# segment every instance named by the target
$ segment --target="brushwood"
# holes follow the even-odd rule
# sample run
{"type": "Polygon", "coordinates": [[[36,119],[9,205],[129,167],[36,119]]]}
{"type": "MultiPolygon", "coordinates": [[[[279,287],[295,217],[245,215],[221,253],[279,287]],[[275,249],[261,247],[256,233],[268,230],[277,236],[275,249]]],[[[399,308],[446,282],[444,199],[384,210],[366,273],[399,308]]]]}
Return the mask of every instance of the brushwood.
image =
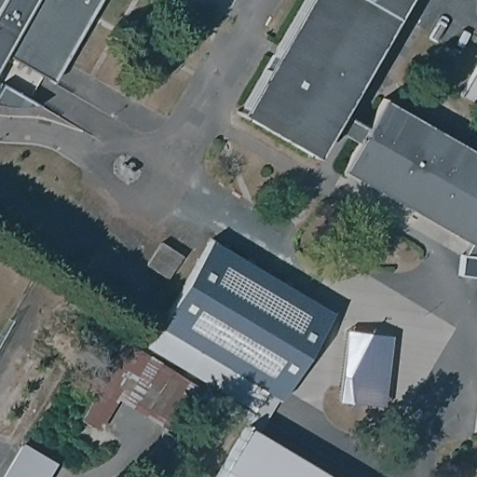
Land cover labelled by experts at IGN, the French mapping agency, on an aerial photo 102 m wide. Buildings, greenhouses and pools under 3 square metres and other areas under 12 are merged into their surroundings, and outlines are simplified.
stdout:
{"type": "Polygon", "coordinates": [[[274,30],[276,35],[272,35],[270,39],[278,45],[285,32],[289,30],[304,0],[294,0],[285,19],[281,20],[278,30],[274,30]]]}
{"type": "Polygon", "coordinates": [[[246,104],[255,84],[265,71],[268,60],[263,56],[257,67],[253,67],[252,76],[238,97],[238,106],[246,104]]]}

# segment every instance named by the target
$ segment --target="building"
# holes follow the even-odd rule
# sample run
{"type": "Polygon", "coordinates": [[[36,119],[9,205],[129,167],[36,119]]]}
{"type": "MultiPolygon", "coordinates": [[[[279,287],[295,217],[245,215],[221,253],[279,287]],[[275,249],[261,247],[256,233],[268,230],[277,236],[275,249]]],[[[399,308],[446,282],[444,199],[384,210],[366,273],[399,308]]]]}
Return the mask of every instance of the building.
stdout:
{"type": "Polygon", "coordinates": [[[302,386],[296,373],[289,373],[291,365],[296,365],[302,373],[311,365],[311,356],[317,352],[317,345],[309,341],[309,335],[317,335],[319,341],[334,341],[334,335],[330,334],[330,330],[334,326],[335,311],[296,291],[285,281],[274,278],[263,268],[253,265],[252,261],[240,257],[214,240],[209,240],[205,244],[198,259],[190,253],[183,255],[173,250],[166,242],[158,244],[153,253],[145,259],[147,266],[153,268],[160,276],[171,278],[173,274],[181,274],[181,278],[184,279],[183,293],[175,307],[175,317],[166,332],[179,337],[190,347],[198,348],[199,352],[211,356],[212,360],[220,361],[225,367],[233,369],[240,378],[225,376],[220,386],[216,395],[227,397],[233,404],[237,404],[240,410],[246,410],[246,419],[255,423],[263,416],[272,416],[276,412],[276,406],[270,404],[272,399],[283,399],[287,391],[294,393],[302,386]]]}
{"type": "Polygon", "coordinates": [[[395,337],[352,332],[348,335],[347,373],[341,401],[345,404],[356,402],[365,410],[382,410],[388,404],[395,337]]]}
{"type": "Polygon", "coordinates": [[[106,0],[0,0],[0,112],[4,112],[4,108],[22,108],[22,101],[13,95],[15,88],[9,86],[9,80],[13,76],[20,76],[22,80],[39,86],[41,76],[56,76],[61,80],[65,71],[106,0]]]}
{"type": "Polygon", "coordinates": [[[307,462],[306,458],[298,457],[293,451],[270,440],[265,434],[255,429],[244,429],[216,477],[332,477],[315,464],[307,462]]]}
{"type": "Polygon", "coordinates": [[[58,464],[52,458],[32,449],[30,445],[20,447],[17,453],[7,466],[4,477],[52,477],[58,464]]]}
{"type": "Polygon", "coordinates": [[[470,101],[477,101],[477,65],[468,76],[464,91],[470,101]]]}
{"type": "Polygon", "coordinates": [[[188,380],[175,375],[162,363],[145,356],[142,352],[134,352],[134,358],[125,361],[123,369],[116,373],[108,367],[89,367],[84,373],[89,378],[88,391],[95,393],[95,406],[89,406],[84,414],[86,427],[101,430],[102,425],[106,425],[108,421],[112,406],[116,406],[117,402],[129,408],[136,406],[142,414],[164,419],[170,425],[175,402],[184,399],[188,393],[188,380]]]}
{"type": "Polygon", "coordinates": [[[373,186],[382,196],[399,201],[404,212],[408,214],[408,233],[419,238],[421,242],[425,238],[436,240],[458,253],[458,276],[468,281],[477,281],[477,149],[470,147],[468,143],[460,142],[447,132],[442,132],[423,117],[416,116],[399,104],[389,101],[382,99],[378,104],[371,127],[358,121],[354,112],[360,106],[365,91],[375,80],[378,69],[388,58],[389,50],[395,45],[404,28],[404,22],[412,15],[419,0],[304,0],[289,30],[285,32],[278,45],[276,52],[268,60],[265,71],[255,84],[246,104],[244,116],[265,123],[270,129],[315,153],[324,145],[343,142],[345,136],[352,136],[356,140],[354,142],[356,149],[352,151],[345,173],[341,175],[337,177],[339,186],[348,184],[354,192],[360,190],[360,184],[373,186]]]}

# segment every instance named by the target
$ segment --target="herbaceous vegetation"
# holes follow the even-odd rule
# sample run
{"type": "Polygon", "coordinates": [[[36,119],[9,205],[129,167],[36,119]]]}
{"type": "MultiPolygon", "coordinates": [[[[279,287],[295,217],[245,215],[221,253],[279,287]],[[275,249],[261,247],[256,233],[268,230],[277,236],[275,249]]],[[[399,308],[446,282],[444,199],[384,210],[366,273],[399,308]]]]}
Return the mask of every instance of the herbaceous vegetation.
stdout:
{"type": "Polygon", "coordinates": [[[237,194],[240,188],[237,181],[229,183],[229,175],[225,175],[220,160],[216,162],[205,157],[205,170],[209,181],[218,184],[229,194],[237,194]]]}
{"type": "Polygon", "coordinates": [[[160,436],[157,442],[140,453],[136,460],[130,460],[129,464],[119,471],[117,477],[125,477],[130,473],[130,466],[153,466],[157,471],[164,471],[166,477],[173,477],[181,462],[177,457],[175,434],[170,432],[160,436]]]}
{"type": "Polygon", "coordinates": [[[130,227],[121,218],[108,216],[106,201],[99,194],[95,194],[99,186],[88,183],[76,164],[61,157],[56,151],[32,145],[0,145],[0,207],[2,211],[28,212],[32,216],[32,224],[47,229],[50,240],[61,242],[80,263],[89,261],[99,266],[99,272],[104,276],[112,276],[117,281],[125,283],[127,294],[134,304],[130,311],[142,307],[147,322],[153,324],[151,328],[157,328],[162,334],[166,332],[175,317],[175,307],[183,293],[184,279],[181,278],[181,274],[173,274],[171,278],[160,276],[153,268],[147,266],[145,259],[153,253],[158,244],[166,242],[168,237],[158,229],[145,229],[142,233],[130,227]]]}
{"type": "Polygon", "coordinates": [[[246,162],[244,170],[240,173],[253,196],[259,190],[259,186],[265,183],[261,170],[246,162]]]}
{"type": "Polygon", "coordinates": [[[149,63],[153,67],[160,67],[162,73],[170,78],[151,95],[145,95],[142,99],[127,99],[151,110],[157,117],[170,117],[170,112],[183,101],[186,91],[190,88],[190,76],[196,73],[199,58],[214,43],[214,39],[209,35],[214,32],[214,28],[218,28],[224,22],[233,0],[181,0],[184,2],[190,30],[201,32],[199,39],[203,39],[203,43],[196,52],[192,52],[186,58],[184,65],[179,65],[179,61],[168,60],[162,52],[157,52],[153,48],[153,26],[149,24],[147,17],[153,6],[147,6],[145,0],[106,0],[65,71],[73,73],[73,69],[78,69],[78,73],[89,76],[91,80],[97,80],[106,88],[119,93],[121,89],[116,84],[116,78],[121,71],[121,65],[108,52],[110,34],[117,24],[119,28],[134,28],[136,32],[145,35],[143,48],[149,56],[149,63]]]}
{"type": "Polygon", "coordinates": [[[423,108],[412,104],[408,99],[402,99],[397,89],[389,93],[389,101],[399,104],[416,116],[423,117],[442,132],[447,132],[460,142],[468,143],[470,147],[477,149],[477,101],[470,101],[464,91],[460,93],[458,99],[447,99],[443,106],[423,108]]]}
{"type": "Polygon", "coordinates": [[[315,153],[270,129],[265,123],[244,116],[246,104],[238,106],[237,114],[231,114],[229,117],[229,123],[235,129],[246,132],[259,142],[268,143],[272,151],[281,151],[283,155],[293,158],[300,168],[306,170],[311,170],[317,164],[320,157],[315,153]]]}
{"type": "Polygon", "coordinates": [[[270,17],[272,20],[268,24],[270,39],[272,35],[276,35],[274,30],[278,30],[281,20],[285,19],[294,0],[279,0],[278,15],[270,17]]]}
{"type": "Polygon", "coordinates": [[[462,442],[453,457],[443,457],[436,468],[438,473],[449,464],[468,466],[477,470],[477,432],[471,434],[466,442],[462,442]]]}
{"type": "Polygon", "coordinates": [[[397,270],[397,274],[402,274],[414,270],[416,266],[421,265],[423,253],[414,242],[404,240],[397,244],[395,252],[391,253],[386,259],[388,263],[395,263],[397,270]]]}
{"type": "Polygon", "coordinates": [[[283,229],[291,237],[289,242],[294,244],[298,238],[306,244],[307,238],[313,237],[320,225],[324,224],[324,216],[319,216],[315,212],[320,201],[311,199],[306,209],[298,216],[294,216],[283,229]]]}
{"type": "Polygon", "coordinates": [[[75,371],[84,373],[89,367],[108,367],[116,373],[123,369],[125,361],[134,358],[134,352],[142,352],[145,356],[162,363],[175,375],[188,380],[188,393],[205,397],[216,395],[220,386],[216,382],[199,380],[198,376],[190,375],[183,367],[166,360],[151,348],[130,347],[121,337],[106,348],[99,345],[99,341],[78,343],[76,330],[71,330],[67,322],[75,319],[80,309],[65,302],[63,296],[52,293],[41,283],[22,278],[11,266],[0,263],[0,348],[15,324],[15,313],[20,304],[32,306],[37,311],[34,332],[30,335],[30,350],[26,352],[26,363],[17,373],[13,373],[9,386],[0,395],[0,442],[9,443],[9,447],[17,453],[20,447],[30,445],[32,449],[52,458],[58,464],[63,464],[63,457],[58,451],[52,451],[34,440],[26,442],[26,434],[41,419],[41,414],[52,406],[52,395],[60,386],[65,371],[73,367],[75,371]]]}

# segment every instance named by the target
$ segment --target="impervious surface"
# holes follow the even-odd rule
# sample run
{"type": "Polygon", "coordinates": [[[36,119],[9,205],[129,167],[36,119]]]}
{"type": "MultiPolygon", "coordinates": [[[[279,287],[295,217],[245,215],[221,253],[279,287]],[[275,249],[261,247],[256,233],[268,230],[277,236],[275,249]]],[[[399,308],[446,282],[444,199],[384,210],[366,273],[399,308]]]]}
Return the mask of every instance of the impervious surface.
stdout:
{"type": "Polygon", "coordinates": [[[404,28],[395,45],[389,50],[388,58],[378,69],[375,80],[365,91],[360,106],[354,112],[358,121],[371,127],[378,104],[382,99],[389,101],[389,93],[397,89],[401,88],[404,71],[412,61],[425,67],[440,69],[443,80],[449,86],[449,93],[460,93],[464,91],[468,76],[477,65],[477,0],[419,0],[412,15],[404,22],[404,28]]]}
{"type": "Polygon", "coordinates": [[[240,378],[233,369],[225,367],[220,361],[212,360],[211,356],[199,352],[198,348],[190,347],[179,337],[166,332],[162,334],[155,343],[151,343],[151,348],[166,360],[183,367],[190,375],[198,376],[199,380],[216,382],[220,386],[225,376],[240,378]]]}
{"type": "Polygon", "coordinates": [[[412,475],[404,477],[430,477],[430,473],[438,473],[436,468],[443,457],[453,457],[462,442],[466,442],[471,434],[477,432],[477,281],[468,281],[458,276],[458,253],[436,240],[425,238],[421,242],[419,238],[408,233],[408,214],[404,212],[399,201],[382,196],[373,186],[360,184],[360,190],[354,192],[348,184],[339,186],[337,177],[341,175],[334,170],[334,160],[345,143],[354,142],[356,140],[352,136],[345,136],[343,142],[324,145],[315,153],[320,157],[317,164],[311,170],[306,170],[300,168],[293,158],[283,155],[281,151],[272,151],[268,143],[259,142],[246,132],[235,129],[229,123],[229,117],[231,114],[237,114],[238,106],[238,97],[252,76],[253,67],[257,67],[263,56],[268,60],[276,52],[278,45],[270,39],[268,24],[272,20],[270,17],[278,15],[279,0],[233,0],[224,22],[218,28],[214,28],[214,32],[209,35],[214,39],[214,43],[199,58],[196,73],[190,76],[190,88],[186,91],[183,101],[170,112],[170,117],[157,117],[151,110],[127,99],[123,99],[119,93],[106,88],[97,80],[91,80],[89,76],[78,73],[78,69],[73,69],[73,73],[65,71],[61,80],[56,76],[41,76],[39,86],[22,80],[20,76],[13,76],[9,80],[9,86],[15,88],[13,95],[22,101],[22,108],[4,108],[4,112],[0,112],[0,145],[32,145],[56,151],[61,157],[76,164],[88,183],[99,186],[95,194],[99,194],[106,201],[108,216],[121,218],[130,227],[142,233],[145,229],[158,229],[168,237],[166,242],[173,250],[183,255],[190,253],[198,259],[205,244],[209,240],[214,240],[240,257],[252,261],[253,265],[263,268],[274,278],[285,281],[296,291],[335,311],[334,326],[330,330],[330,334],[334,335],[334,341],[319,341],[317,335],[309,335],[309,341],[317,345],[317,352],[311,356],[311,365],[302,373],[296,365],[291,365],[289,373],[296,373],[302,386],[294,393],[287,391],[283,399],[272,399],[270,404],[276,406],[276,412],[272,416],[263,416],[255,423],[246,419],[240,425],[233,425],[229,429],[224,447],[199,447],[196,458],[203,460],[201,468],[212,477],[216,477],[244,429],[255,429],[265,434],[270,440],[293,451],[298,457],[306,458],[307,462],[315,464],[332,477],[386,477],[375,468],[367,466],[365,462],[348,455],[352,443],[348,442],[347,432],[358,427],[365,434],[378,438],[382,419],[391,412],[397,412],[401,416],[402,425],[410,427],[417,434],[416,445],[408,451],[408,458],[416,462],[416,468],[412,475]],[[229,194],[218,184],[209,181],[205,170],[205,157],[209,143],[220,142],[225,143],[224,155],[220,160],[225,175],[229,175],[229,183],[237,181],[240,188],[237,194],[229,194]],[[388,250],[391,253],[395,252],[397,244],[404,240],[414,242],[423,253],[421,265],[416,266],[414,270],[402,274],[397,274],[397,270],[378,270],[375,278],[354,276],[339,281],[324,279],[320,283],[300,268],[296,268],[298,261],[294,244],[289,242],[291,237],[283,229],[265,227],[255,220],[250,211],[255,207],[253,196],[240,173],[244,170],[246,162],[261,170],[265,166],[268,170],[285,173],[287,179],[293,179],[298,190],[311,199],[320,201],[335,203],[350,199],[350,203],[361,201],[365,205],[378,205],[380,211],[369,216],[367,225],[382,222],[388,227],[388,250]],[[395,337],[388,404],[382,410],[365,410],[356,402],[345,404],[341,401],[347,373],[348,335],[352,332],[395,337]]]}
{"type": "Polygon", "coordinates": [[[9,443],[0,442],[0,477],[4,477],[7,466],[17,453],[9,447],[9,443]]]}
{"type": "Polygon", "coordinates": [[[9,386],[13,373],[17,373],[26,363],[26,352],[30,350],[30,335],[34,332],[37,311],[32,306],[20,304],[15,313],[15,324],[0,348],[0,395],[9,386]]]}
{"type": "Polygon", "coordinates": [[[129,464],[130,460],[136,460],[140,453],[157,442],[160,436],[170,432],[170,425],[164,419],[142,414],[136,406],[129,408],[117,402],[116,406],[112,406],[108,421],[106,425],[102,425],[101,430],[86,427],[86,434],[80,436],[82,442],[88,443],[95,451],[99,449],[99,445],[108,447],[116,455],[97,468],[78,473],[63,468],[63,464],[58,464],[52,477],[117,477],[119,471],[129,464]]]}

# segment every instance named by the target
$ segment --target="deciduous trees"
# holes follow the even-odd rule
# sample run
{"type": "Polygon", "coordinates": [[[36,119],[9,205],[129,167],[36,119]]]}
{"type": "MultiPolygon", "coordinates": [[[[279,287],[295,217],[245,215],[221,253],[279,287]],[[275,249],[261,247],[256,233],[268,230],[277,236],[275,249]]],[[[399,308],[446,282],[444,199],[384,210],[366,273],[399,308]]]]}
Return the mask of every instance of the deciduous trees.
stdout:
{"type": "Polygon", "coordinates": [[[449,93],[449,86],[443,80],[440,69],[425,67],[412,61],[404,71],[401,88],[397,89],[402,99],[408,99],[412,104],[423,108],[443,106],[447,99],[458,99],[460,93],[449,93]]]}
{"type": "Polygon", "coordinates": [[[145,95],[151,95],[170,78],[162,73],[160,67],[153,67],[149,63],[149,56],[143,48],[145,35],[136,32],[134,28],[119,28],[117,24],[110,34],[108,52],[121,65],[121,71],[116,78],[116,84],[121,89],[119,93],[123,99],[127,99],[142,99],[145,95]]]}
{"type": "Polygon", "coordinates": [[[205,157],[216,162],[220,160],[224,155],[225,143],[220,142],[209,143],[205,157]]]}
{"type": "Polygon", "coordinates": [[[153,6],[147,17],[149,24],[153,26],[153,48],[157,52],[162,52],[168,60],[179,61],[179,65],[184,65],[186,58],[192,52],[196,52],[203,43],[203,39],[199,39],[201,32],[190,30],[184,2],[181,0],[145,0],[147,6],[153,6]]]}
{"type": "Polygon", "coordinates": [[[166,477],[164,471],[157,471],[153,466],[130,466],[130,473],[125,477],[166,477]]]}
{"type": "Polygon", "coordinates": [[[352,151],[356,149],[354,142],[345,143],[334,160],[334,170],[341,175],[345,173],[352,151]]]}
{"type": "Polygon", "coordinates": [[[224,447],[229,429],[233,425],[240,425],[246,419],[246,410],[240,410],[237,404],[233,404],[227,397],[216,395],[205,397],[188,393],[184,399],[175,402],[170,425],[170,432],[175,434],[177,457],[181,462],[173,477],[212,477],[201,468],[203,460],[196,458],[199,447],[224,447]]]}
{"type": "Polygon", "coordinates": [[[449,464],[438,473],[430,473],[430,477],[477,477],[477,470],[468,466],[449,464]]]}
{"type": "Polygon", "coordinates": [[[402,425],[401,416],[397,412],[391,412],[382,419],[378,438],[365,434],[358,427],[347,432],[348,442],[352,443],[348,455],[365,462],[367,466],[375,468],[386,477],[404,477],[412,475],[416,468],[416,462],[408,458],[408,451],[416,445],[417,434],[410,427],[402,425]]]}
{"type": "Polygon", "coordinates": [[[63,457],[63,464],[63,468],[78,473],[97,468],[116,455],[108,447],[99,445],[99,449],[95,451],[88,443],[82,442],[80,436],[86,434],[86,427],[84,414],[89,406],[95,406],[95,393],[88,391],[89,378],[84,373],[75,371],[73,367],[65,371],[60,386],[52,395],[52,406],[41,414],[41,419],[26,434],[26,442],[34,440],[52,451],[58,451],[63,457]]]}
{"type": "Polygon", "coordinates": [[[324,224],[320,225],[313,237],[307,238],[306,244],[298,238],[294,244],[298,261],[296,268],[300,268],[320,283],[324,279],[339,281],[354,276],[375,278],[378,270],[397,270],[395,263],[388,263],[386,259],[391,253],[388,250],[388,227],[382,222],[367,225],[369,216],[380,211],[378,205],[365,205],[361,201],[350,203],[350,199],[335,203],[320,201],[315,212],[319,216],[324,216],[324,224]]]}
{"type": "Polygon", "coordinates": [[[32,216],[28,212],[2,211],[0,207],[0,263],[11,266],[22,278],[41,283],[52,293],[63,296],[65,302],[80,309],[75,319],[67,322],[71,330],[76,330],[78,343],[99,341],[99,345],[106,348],[121,337],[130,347],[151,348],[151,343],[155,343],[162,334],[157,328],[151,328],[153,324],[147,322],[142,307],[130,311],[134,304],[127,294],[125,283],[117,281],[112,276],[104,276],[99,272],[99,266],[89,261],[80,263],[61,242],[50,240],[47,229],[32,224],[32,216]]]}
{"type": "Polygon", "coordinates": [[[294,216],[298,216],[306,209],[311,199],[298,190],[293,179],[287,179],[285,173],[268,170],[265,166],[261,170],[265,183],[259,186],[259,190],[253,196],[255,207],[250,211],[255,220],[265,227],[283,229],[294,216]]]}

